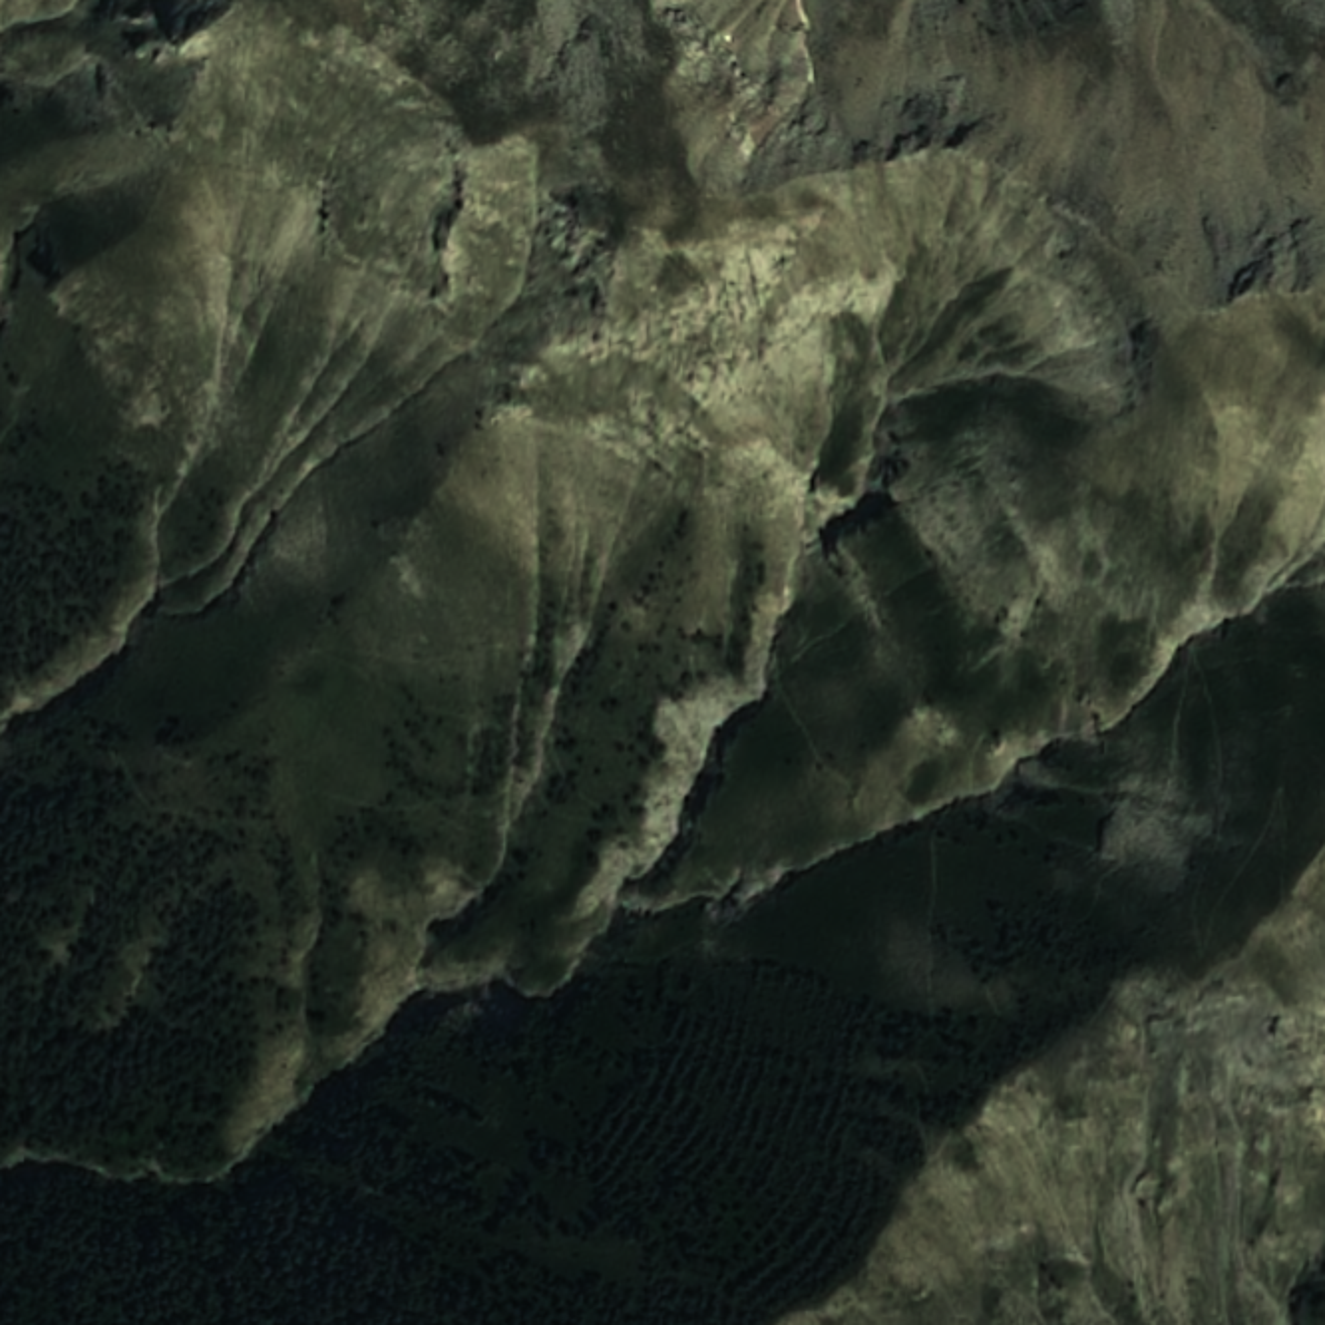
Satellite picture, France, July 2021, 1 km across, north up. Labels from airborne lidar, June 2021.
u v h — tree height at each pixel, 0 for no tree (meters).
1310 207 0
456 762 0
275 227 0
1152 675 0
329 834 0
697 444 0
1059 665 0
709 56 0
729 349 0
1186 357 0
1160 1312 0
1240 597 0
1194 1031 0
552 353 0
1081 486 0
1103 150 0
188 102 0
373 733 0
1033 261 0
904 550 0
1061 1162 0
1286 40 0
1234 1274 0
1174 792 0
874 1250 0
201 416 0
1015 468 0
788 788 0
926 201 0
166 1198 8
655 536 0
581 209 0
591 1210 0
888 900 0
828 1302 0
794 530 0
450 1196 18
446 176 0
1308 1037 0
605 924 0
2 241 0
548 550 0
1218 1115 0
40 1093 22
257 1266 9
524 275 0
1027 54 0
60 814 17
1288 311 0
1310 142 0
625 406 0
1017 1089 0
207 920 10
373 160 0
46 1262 11
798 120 0
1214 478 0
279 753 0
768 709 0
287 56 0
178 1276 37
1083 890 0
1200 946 0
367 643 0
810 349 0
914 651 0
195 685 0
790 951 0
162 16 0
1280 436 0
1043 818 0
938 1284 0
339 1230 22
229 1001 15
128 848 14
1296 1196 0
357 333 0
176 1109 15
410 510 0
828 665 0
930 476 0
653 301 0
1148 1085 0
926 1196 0
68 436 0
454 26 0
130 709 0
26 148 0
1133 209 0
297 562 0
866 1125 9
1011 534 0
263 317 0
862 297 0
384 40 0
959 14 0
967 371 0
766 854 0
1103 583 0
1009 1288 0
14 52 0
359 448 0
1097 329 0
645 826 0
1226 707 0
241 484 0
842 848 0
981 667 0
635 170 0
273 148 0
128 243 0
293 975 0
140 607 0
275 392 0
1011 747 0
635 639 0
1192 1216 0
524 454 0
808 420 0
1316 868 0
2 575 10
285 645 0
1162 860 0
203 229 0
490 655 0
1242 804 0
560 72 0
